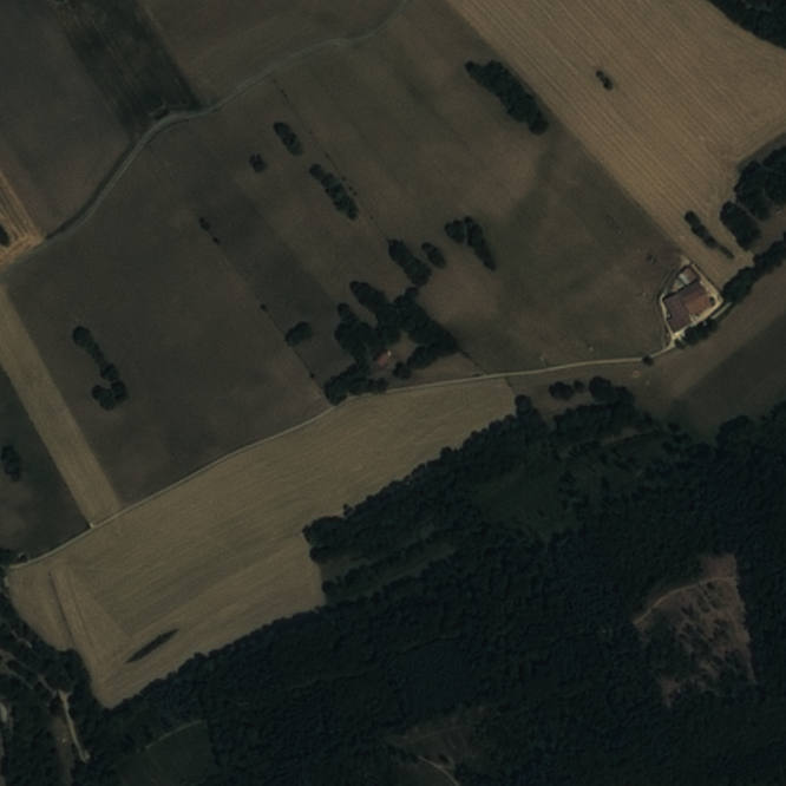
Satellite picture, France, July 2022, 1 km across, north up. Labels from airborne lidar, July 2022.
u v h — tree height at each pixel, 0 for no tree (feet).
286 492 0
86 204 0
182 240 0
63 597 0
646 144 0
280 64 0
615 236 0
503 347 0
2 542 0
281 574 0
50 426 0
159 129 0
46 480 0
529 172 0
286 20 0
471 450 56
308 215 0
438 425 0
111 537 0
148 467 0
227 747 72
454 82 0
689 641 55
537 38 0
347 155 0
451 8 0
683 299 0
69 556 0
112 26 0
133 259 0
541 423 71
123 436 0
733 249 0
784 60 0
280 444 0
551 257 0
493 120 0
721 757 66
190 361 0
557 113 0
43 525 0
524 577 73
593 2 0
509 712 71
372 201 0
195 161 0
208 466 0
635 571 34
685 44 0
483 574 85
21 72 0
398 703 21
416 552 75
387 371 0
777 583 72
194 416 0
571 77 0
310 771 73
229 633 0
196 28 0
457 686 43
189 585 0
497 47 0
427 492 90
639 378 0
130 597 0
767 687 79
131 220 0
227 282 0
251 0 0
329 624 100
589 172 0
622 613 62
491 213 0
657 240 0
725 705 65
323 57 0
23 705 57
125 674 0
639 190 0
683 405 0
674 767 56
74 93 0
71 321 0
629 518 48
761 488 86
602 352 0
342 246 0
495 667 67
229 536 0
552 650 64
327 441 0
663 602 0
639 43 0
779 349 0
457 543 63
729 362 0
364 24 0
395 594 57
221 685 74
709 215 0
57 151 0
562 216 0
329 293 0
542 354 0
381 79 0
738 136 0
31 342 0
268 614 0
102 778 79
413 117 0
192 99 0
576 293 0
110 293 0
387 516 78
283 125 36
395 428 0
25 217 0
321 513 0
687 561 52
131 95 0
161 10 0
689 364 0
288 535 0
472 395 0
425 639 59
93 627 0
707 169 0
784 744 65
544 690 67
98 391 31
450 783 0
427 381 0
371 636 64
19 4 0
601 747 85
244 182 0
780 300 0
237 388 0
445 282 0
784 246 37
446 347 58
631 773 62
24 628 85
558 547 56
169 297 0
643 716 74
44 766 68
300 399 0
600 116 0
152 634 0
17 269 0
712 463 79
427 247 33
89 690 54
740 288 49
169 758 0
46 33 0
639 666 41
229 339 0
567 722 78
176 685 68
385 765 45
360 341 68
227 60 0
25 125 0
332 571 0
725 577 0
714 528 44
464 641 52
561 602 72
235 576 0
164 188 0
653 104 0
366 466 0
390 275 0
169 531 0
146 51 0
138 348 0
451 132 0
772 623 22
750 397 0
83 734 26
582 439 80
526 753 27
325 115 0
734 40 0
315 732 71
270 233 0
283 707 26
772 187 66
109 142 0
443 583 64
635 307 0
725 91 0
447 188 0
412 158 0
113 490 0
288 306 0
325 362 0
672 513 52
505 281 0
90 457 0
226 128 0
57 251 0
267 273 0
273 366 0
